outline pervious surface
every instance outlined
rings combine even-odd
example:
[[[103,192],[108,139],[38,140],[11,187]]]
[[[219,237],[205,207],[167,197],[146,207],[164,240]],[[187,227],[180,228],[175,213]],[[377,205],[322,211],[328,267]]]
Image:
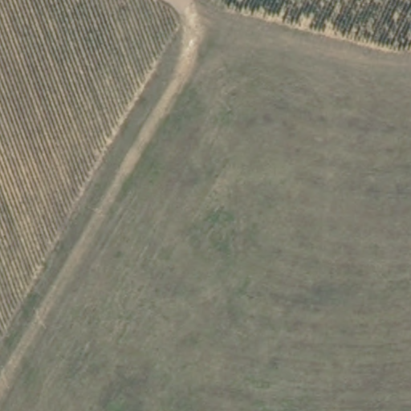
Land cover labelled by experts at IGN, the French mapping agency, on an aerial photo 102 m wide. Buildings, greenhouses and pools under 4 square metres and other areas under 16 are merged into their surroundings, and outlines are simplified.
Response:
[[[50,287],[40,307],[35,310],[29,328],[24,331],[11,353],[10,360],[0,371],[0,400],[5,395],[5,390],[10,387],[14,371],[21,364],[27,348],[34,344],[35,337],[39,334],[51,308],[58,305],[64,292],[71,286],[75,271],[83,262],[82,255],[87,252],[88,244],[95,238],[96,231],[100,230],[104,215],[116,199],[120,186],[128,173],[132,172],[136,161],[140,159],[141,151],[153,136],[157,124],[164,119],[165,114],[169,114],[173,96],[188,82],[189,72],[196,61],[197,43],[204,39],[204,29],[197,21],[194,0],[165,0],[175,8],[175,11],[185,16],[181,55],[178,58],[177,69],[173,72],[172,82],[169,83],[148,122],[141,128],[138,140],[125,156],[111,186],[67,257],[63,270],[59,271],[55,283]]]

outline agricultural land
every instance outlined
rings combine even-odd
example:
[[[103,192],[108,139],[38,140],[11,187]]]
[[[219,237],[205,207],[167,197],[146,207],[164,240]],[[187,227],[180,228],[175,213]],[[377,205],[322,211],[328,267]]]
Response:
[[[389,45],[392,48],[390,53],[382,53],[360,45],[329,39],[326,35],[310,35],[300,29],[289,29],[276,22],[244,18],[241,8],[226,5],[222,0],[194,0],[197,21],[204,29],[204,39],[197,43],[196,61],[189,72],[188,82],[173,96],[169,114],[165,114],[164,119],[157,124],[153,136],[141,151],[140,159],[136,161],[132,172],[128,173],[120,186],[116,199],[104,215],[100,230],[96,231],[95,238],[88,244],[87,252],[82,255],[83,262],[75,271],[71,286],[64,292],[58,305],[51,308],[39,334],[35,337],[34,344],[27,348],[21,364],[14,371],[10,387],[5,390],[5,395],[0,400],[0,411],[411,411],[411,50],[409,47],[398,48],[398,43],[393,43]]]

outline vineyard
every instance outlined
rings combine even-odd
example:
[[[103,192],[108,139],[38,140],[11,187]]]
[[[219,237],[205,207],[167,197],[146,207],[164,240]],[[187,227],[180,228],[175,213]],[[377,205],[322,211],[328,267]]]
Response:
[[[175,11],[175,8],[165,0],[0,0],[0,371],[10,360],[11,353],[24,331],[29,328],[35,310],[40,307],[50,287],[55,283],[59,271],[63,270],[67,257],[111,186],[125,156],[138,140],[141,128],[148,122],[169,83],[172,82],[173,72],[177,69],[178,58],[181,55],[185,16]]]
[[[326,35],[329,39],[360,45],[382,53],[390,53],[392,48],[389,45],[393,43],[398,43],[398,48],[409,47],[411,50],[411,0],[222,0],[226,5],[241,8],[244,18],[276,22],[289,29],[300,29],[310,35]]]

